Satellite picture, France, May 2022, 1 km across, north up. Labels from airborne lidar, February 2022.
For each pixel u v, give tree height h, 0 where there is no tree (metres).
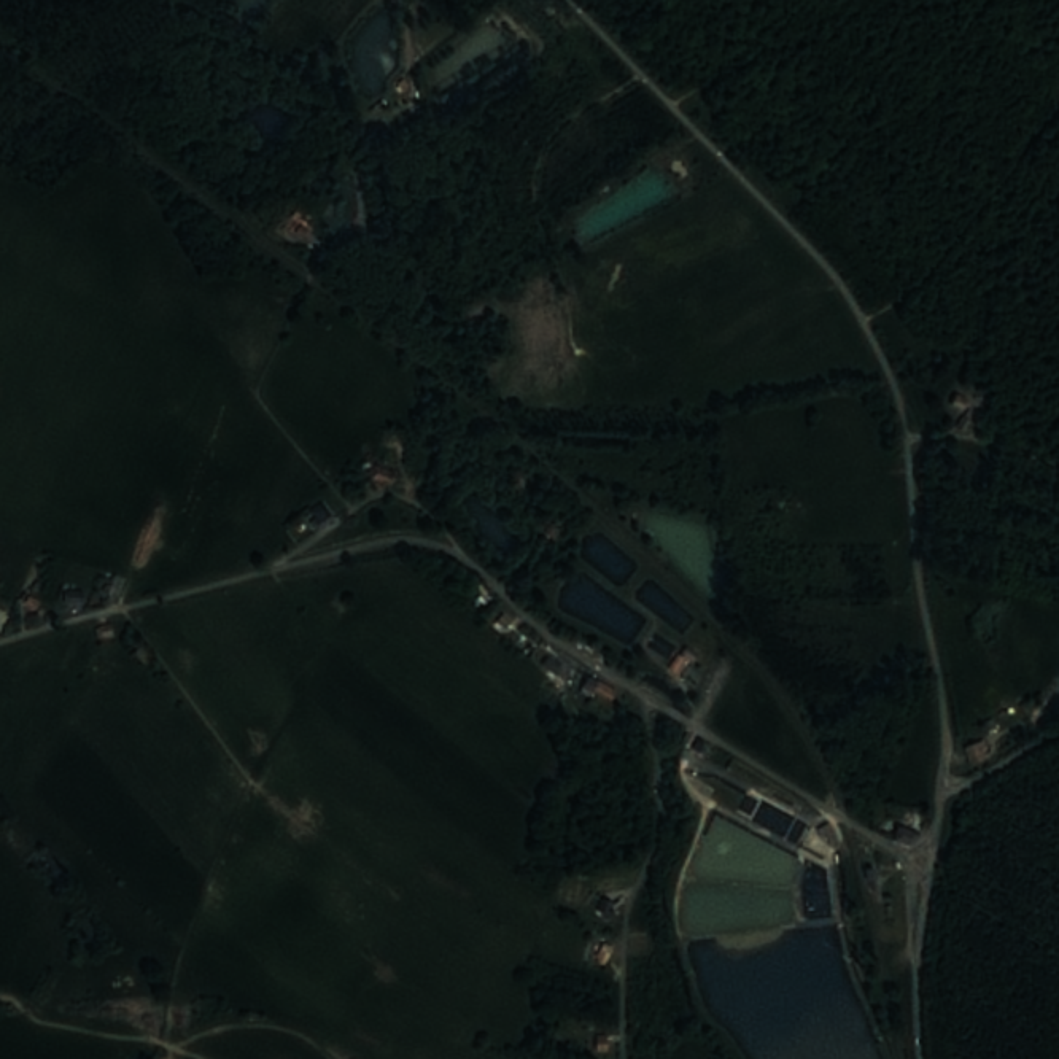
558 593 0
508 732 0
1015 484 19
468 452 21
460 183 22
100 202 0
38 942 0
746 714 0
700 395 0
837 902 0
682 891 0
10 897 0
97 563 0
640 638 0
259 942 0
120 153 16
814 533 0
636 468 0
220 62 20
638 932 0
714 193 0
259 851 0
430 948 0
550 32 20
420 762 0
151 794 0
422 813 0
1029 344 17
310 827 0
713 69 14
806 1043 0
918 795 0
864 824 0
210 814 0
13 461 0
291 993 0
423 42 0
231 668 0
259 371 0
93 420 0
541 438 23
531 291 0
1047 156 21
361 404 0
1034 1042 13
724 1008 0
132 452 0
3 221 0
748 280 0
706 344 0
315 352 0
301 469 0
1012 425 18
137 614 0
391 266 19
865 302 9
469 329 19
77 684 0
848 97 23
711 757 0
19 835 0
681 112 0
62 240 0
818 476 0
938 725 0
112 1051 0
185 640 0
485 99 16
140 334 0
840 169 21
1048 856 12
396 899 0
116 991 0
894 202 19
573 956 0
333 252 22
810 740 0
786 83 24
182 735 0
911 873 0
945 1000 11
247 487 0
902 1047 0
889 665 0
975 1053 12
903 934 0
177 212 21
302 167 21
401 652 0
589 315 0
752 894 0
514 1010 0
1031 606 0
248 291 0
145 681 0
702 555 0
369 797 0
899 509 0
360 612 0
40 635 0
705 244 0
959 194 25
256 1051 0
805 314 0
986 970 13
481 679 0
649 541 12
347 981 0
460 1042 0
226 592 0
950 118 22
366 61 0
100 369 0
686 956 0
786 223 0
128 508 0
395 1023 0
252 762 0
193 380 0
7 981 0
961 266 23
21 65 14
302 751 0
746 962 0
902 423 17
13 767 0
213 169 21
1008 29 21
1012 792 11
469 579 20
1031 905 12
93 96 12
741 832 0
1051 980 14
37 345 0
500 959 0
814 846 0
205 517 0
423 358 18
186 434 0
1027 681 0
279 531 0
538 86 17
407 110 0
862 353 0
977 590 0
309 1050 0
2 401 0
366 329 0
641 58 19
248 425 0
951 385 0
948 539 24
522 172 0
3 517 0
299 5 0
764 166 18
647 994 0
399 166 27
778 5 21
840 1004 0
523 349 0
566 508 19
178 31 19
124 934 0
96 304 0
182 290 0
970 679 0
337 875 0
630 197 0
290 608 0
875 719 25
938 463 18
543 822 18
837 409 0
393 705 0
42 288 0
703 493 0
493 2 20
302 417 0
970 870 12
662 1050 15
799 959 0
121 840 0
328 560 0
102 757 0
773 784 0
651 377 0
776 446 0
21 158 13
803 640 0
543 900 0
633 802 22
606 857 26
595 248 0
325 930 0
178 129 20
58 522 0
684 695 14
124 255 0
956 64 20
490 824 0
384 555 0
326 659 0
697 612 0
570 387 0
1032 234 25
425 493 13
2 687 0
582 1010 22
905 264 18
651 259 0
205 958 0
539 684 0
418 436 17
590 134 0
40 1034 0
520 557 21
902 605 0
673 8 26
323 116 19
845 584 0
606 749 12
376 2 0
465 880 0
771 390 14
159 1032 18
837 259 10
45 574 6
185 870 0
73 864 0
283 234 0
